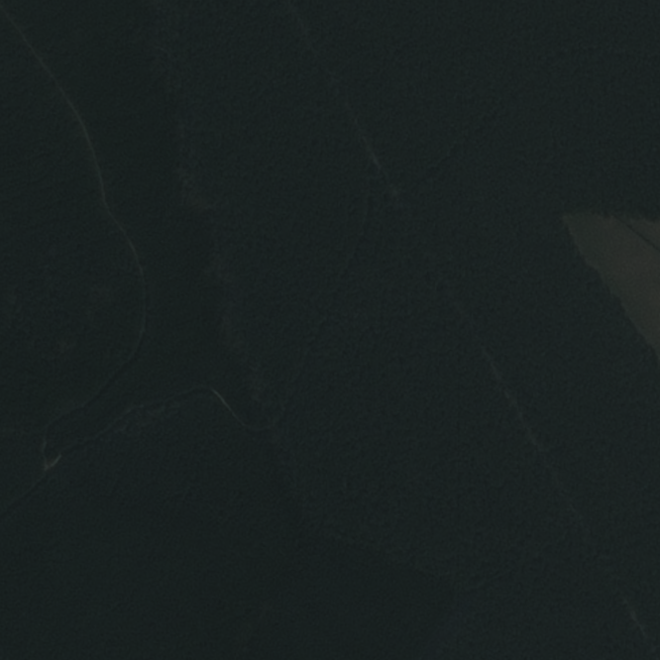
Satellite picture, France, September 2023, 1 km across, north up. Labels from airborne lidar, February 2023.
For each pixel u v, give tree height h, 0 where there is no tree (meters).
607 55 26
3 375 7
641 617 28
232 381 8
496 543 29
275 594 11
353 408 26
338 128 26
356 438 27
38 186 7
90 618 9
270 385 23
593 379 31
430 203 29
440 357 29
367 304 29
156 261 9
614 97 30
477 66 30
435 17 29
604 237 0
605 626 28
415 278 29
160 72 15
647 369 29
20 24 7
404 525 29
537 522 28
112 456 17
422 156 27
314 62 27
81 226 10
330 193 26
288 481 15
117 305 13
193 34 28
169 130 9
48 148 9
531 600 25
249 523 10
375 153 18
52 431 15
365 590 9
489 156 28
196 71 26
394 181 24
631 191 26
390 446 30
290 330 26
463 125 28
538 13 28
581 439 29
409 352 26
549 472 25
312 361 26
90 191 8
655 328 0
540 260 30
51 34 10
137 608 10
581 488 27
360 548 10
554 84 28
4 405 7
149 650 8
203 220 11
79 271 19
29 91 12
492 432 29
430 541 29
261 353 25
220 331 9
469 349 27
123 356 11
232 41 25
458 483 28
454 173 28
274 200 27
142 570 11
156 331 8
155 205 8
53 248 14
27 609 11
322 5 26
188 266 8
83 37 7
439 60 28
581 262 26
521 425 23
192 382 9
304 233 26
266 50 27
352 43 26
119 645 13
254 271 26
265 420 17
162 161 9
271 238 28
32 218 8
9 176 7
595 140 28
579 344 30
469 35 29
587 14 27
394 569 10
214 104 29
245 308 26
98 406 9
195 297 8
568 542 27
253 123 27
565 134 29
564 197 29
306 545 9
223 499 15
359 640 9
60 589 9
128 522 11
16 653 11
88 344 9
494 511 29
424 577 8
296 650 8
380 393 29
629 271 0
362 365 29
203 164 25
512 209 29
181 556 10
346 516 29
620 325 28
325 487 28
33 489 13
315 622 7
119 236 8
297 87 27
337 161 27
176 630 11
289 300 25
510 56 29
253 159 29
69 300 14
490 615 29
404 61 29
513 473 29
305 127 27
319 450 26
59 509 10
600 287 26
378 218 26
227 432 13
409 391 28
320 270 27
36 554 10
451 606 7
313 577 7
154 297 11
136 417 11
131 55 9
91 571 10
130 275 12
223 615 10
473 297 24
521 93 29
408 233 30
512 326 26
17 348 11
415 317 28
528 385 26
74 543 10
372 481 25
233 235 25
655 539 29
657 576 29
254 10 21
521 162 27
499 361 26
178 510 12
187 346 7
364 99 27
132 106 9
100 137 9
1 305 11
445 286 21
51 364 7
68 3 8
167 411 12
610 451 29
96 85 9
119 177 9
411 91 29
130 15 8
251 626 12
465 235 31
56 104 7
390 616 8
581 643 28
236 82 27
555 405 31
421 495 28
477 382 29
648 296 0
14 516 13
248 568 10
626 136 28
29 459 12
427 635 8
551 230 29
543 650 29
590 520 27
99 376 9
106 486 14
